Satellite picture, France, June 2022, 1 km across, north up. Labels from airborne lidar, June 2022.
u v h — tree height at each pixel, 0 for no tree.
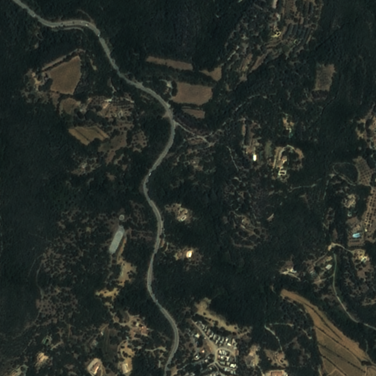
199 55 14
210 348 0
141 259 6
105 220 10
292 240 11
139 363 6
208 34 10
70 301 8
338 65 10
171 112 0
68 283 15
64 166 7
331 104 8
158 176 9
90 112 15
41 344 9
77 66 0
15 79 7
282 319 8
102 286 12
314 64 12
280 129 7
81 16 10
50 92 8
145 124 10
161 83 11
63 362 11
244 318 10
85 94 15
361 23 6
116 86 12
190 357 10
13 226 9
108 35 17
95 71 10
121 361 8
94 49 11
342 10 8
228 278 7
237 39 8
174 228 8
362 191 10
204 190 9
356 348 0
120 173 12
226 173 6
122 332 10
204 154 9
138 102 10
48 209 9
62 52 9
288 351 8
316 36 7
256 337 8
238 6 11
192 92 0
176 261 6
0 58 5
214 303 11
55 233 11
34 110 11
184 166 10
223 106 12
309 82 14
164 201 11
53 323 9
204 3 7
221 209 9
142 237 8
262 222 10
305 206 10
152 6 11
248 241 10
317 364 14
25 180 7
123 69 15
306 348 10
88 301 14
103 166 10
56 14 13
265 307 8
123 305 7
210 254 12
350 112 13
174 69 11
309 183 10
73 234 10
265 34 13
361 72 8
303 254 12
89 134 0
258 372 8
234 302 11
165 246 6
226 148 7
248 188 9
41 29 10
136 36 13
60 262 9
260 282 6
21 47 11
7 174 11
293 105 8
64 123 13
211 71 9
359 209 10
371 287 13
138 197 12
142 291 7
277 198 12
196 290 9
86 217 12
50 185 11
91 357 10
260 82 16
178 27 15
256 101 9
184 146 8
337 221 9
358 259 7
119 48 16
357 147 11
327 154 7
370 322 8
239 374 9
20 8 18
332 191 10
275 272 8
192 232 12
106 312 12
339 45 12
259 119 6
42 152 7
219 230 12
